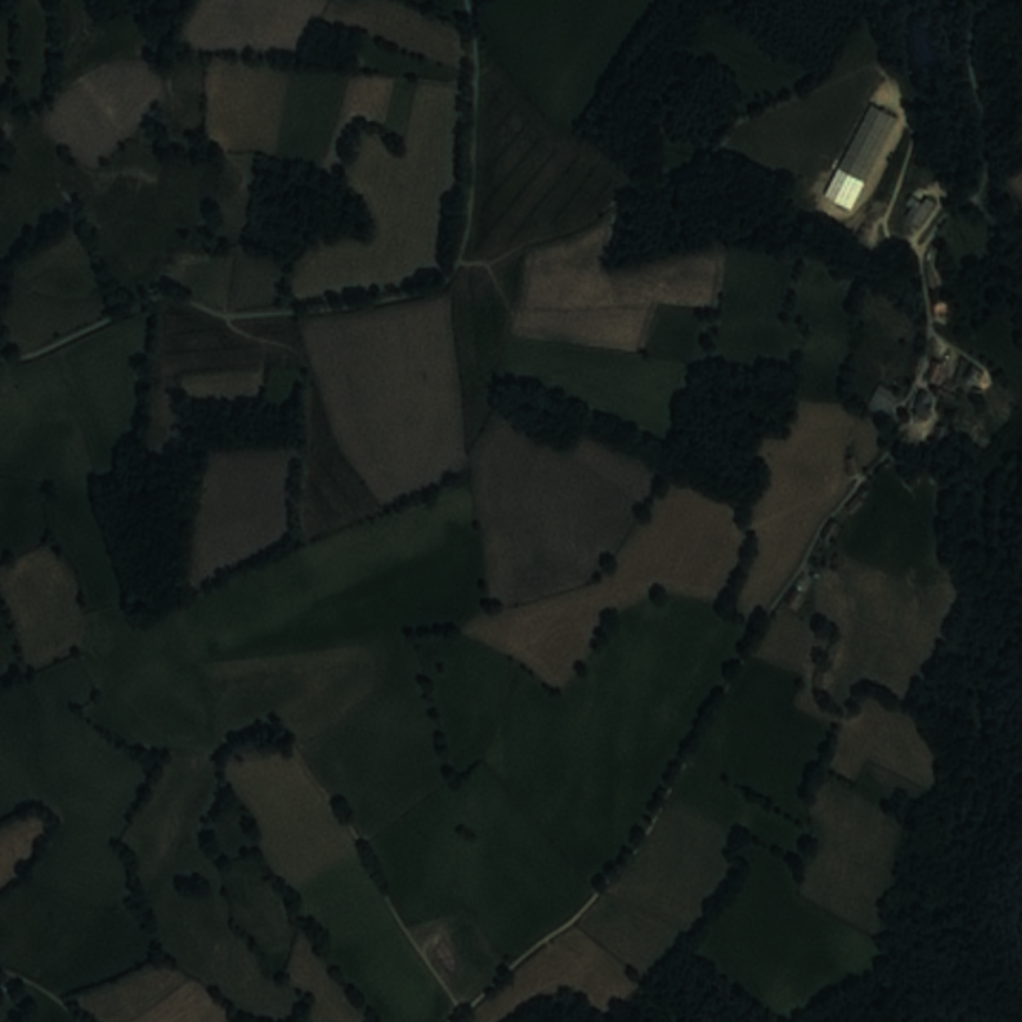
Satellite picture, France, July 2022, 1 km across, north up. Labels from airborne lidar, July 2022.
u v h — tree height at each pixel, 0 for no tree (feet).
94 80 0
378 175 0
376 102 0
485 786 0
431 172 0
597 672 0
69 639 0
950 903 29
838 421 0
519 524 0
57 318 0
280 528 0
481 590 31
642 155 70
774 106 29
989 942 70
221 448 39
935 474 53
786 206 68
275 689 0
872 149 0
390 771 0
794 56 77
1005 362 0
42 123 0
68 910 0
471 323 0
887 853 0
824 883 0
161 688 0
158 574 82
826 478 0
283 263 34
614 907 0
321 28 58
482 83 0
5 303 58
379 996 0
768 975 0
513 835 0
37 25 0
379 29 0
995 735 76
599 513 0
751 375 53
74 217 56
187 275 0
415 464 0
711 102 72
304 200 63
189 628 0
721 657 0
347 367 0
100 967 0
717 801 0
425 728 0
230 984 0
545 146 0
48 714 0
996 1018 45
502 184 0
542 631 0
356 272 0
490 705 0
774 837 0
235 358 0
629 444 62
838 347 0
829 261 47
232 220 0
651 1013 20
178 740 0
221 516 0
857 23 60
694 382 48
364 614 0
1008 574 57
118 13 60
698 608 0
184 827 0
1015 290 28
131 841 0
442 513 0
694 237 81
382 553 0
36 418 0
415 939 0
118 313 65
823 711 43
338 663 0
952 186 62
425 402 0
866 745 0
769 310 0
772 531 0
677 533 0
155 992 0
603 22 0
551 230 0
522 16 0
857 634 0
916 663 0
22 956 0
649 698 0
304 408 69
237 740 62
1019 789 55
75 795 0
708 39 0
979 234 0
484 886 0
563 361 0
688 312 0
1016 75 31
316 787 0
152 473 81
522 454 0
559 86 0
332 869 0
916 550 0
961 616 61
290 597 0
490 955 0
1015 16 53
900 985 67
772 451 0
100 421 0
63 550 36
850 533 0
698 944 44
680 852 0
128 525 74
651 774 0
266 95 0
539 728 0
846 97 0
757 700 0
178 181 0
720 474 72
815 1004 46
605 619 55
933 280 0
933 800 36
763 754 0
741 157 41
